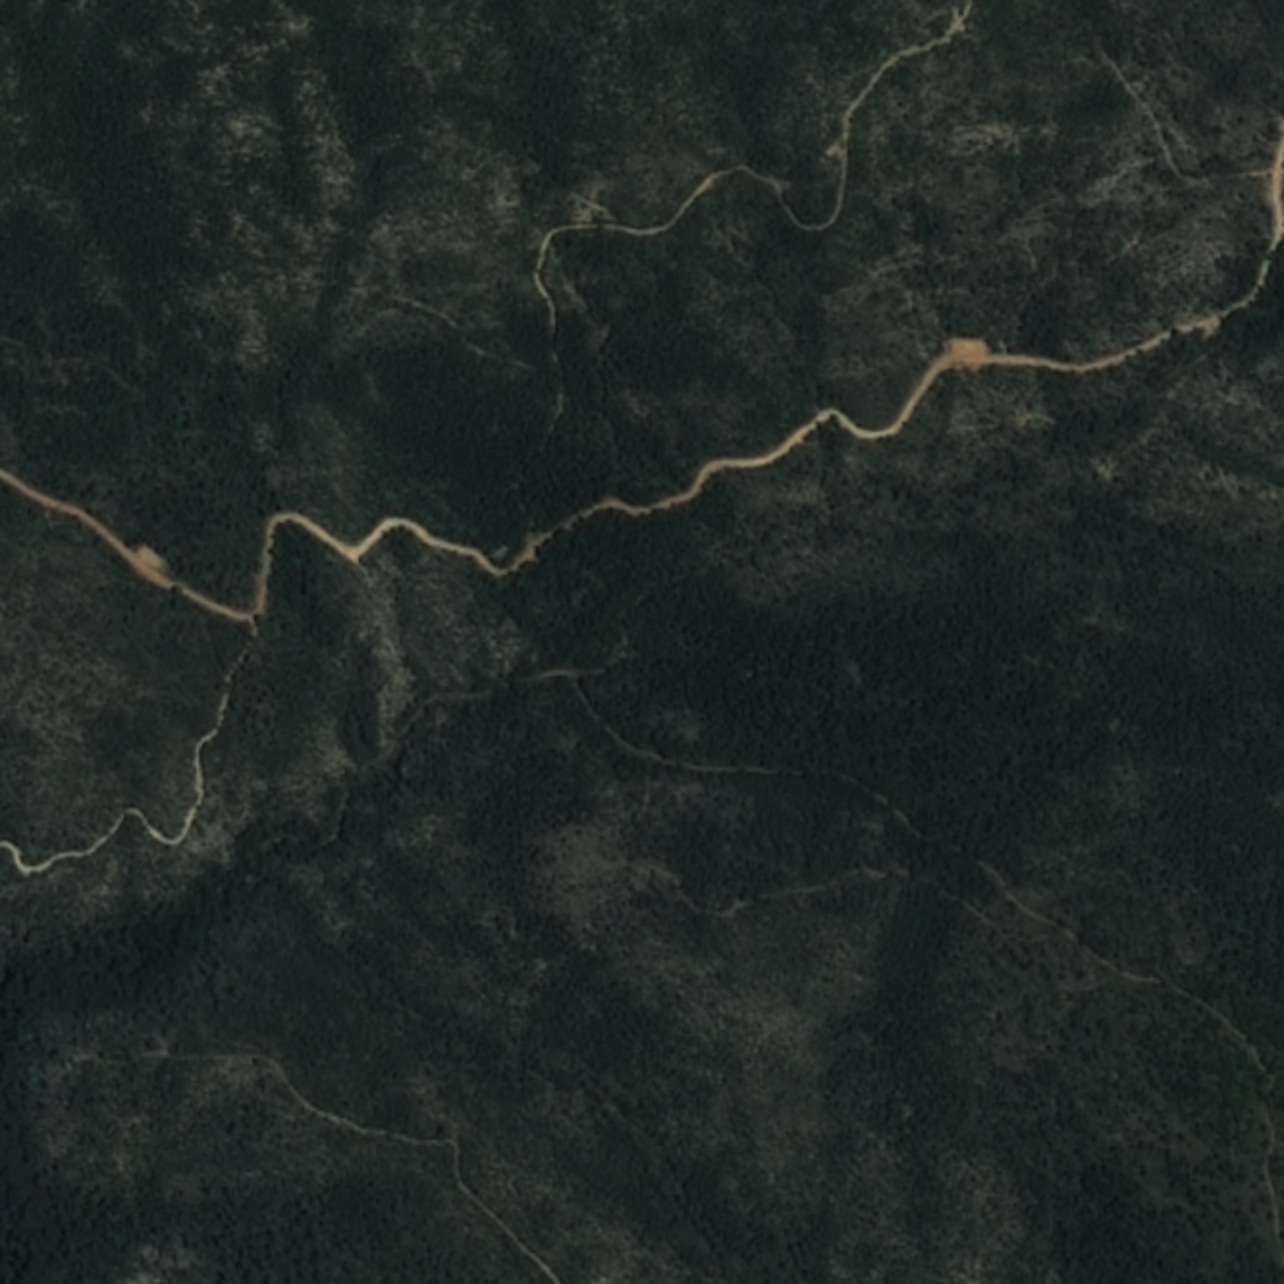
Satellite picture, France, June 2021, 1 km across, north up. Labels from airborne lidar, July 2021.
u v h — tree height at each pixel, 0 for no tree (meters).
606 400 7
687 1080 5
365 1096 6
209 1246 10
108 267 6
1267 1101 6
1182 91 0
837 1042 6
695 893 7
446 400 7
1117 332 6
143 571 0
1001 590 7
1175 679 8
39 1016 6
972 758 7
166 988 9
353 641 7
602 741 7
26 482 0
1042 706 6
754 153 5
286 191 8
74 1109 7
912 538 6
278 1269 12
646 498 6
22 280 6
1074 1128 7
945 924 9
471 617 7
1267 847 6
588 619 10
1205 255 0
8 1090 10
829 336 0
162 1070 6
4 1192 13
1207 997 7
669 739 7
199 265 6
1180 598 6
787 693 7
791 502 0
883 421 0
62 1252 9
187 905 8
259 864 12
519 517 11
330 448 0
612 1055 6
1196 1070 7
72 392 8
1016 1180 6
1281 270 8
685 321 6
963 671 8
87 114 8
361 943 6
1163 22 6
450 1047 8
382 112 6
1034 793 9
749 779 7
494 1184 0
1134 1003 5
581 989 6
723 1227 8
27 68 9
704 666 9
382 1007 7
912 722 12
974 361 0
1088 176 6
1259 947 9
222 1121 6
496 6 8
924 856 10
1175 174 7
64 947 9
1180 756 6
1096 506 6
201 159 6
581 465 8
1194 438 10
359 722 6
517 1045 11
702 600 6
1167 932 7
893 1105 9
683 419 7
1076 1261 7
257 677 8
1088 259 8
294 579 9
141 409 7
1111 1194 9
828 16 6
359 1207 7
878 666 8
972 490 6
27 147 6
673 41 6
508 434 8
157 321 6
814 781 8
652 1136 8
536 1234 6
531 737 7
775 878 6
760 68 7
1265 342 7
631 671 7
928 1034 7
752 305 7
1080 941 7
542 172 6
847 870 7
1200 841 9
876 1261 6
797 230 8
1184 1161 7
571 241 7
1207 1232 7
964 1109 9
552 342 8
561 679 10
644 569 12
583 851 0
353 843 7
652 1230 6
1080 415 8
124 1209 12
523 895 7
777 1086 0
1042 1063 7
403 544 6
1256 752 7
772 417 6
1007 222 8
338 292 9
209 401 7
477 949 7
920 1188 7
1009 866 8
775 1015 0
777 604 9
